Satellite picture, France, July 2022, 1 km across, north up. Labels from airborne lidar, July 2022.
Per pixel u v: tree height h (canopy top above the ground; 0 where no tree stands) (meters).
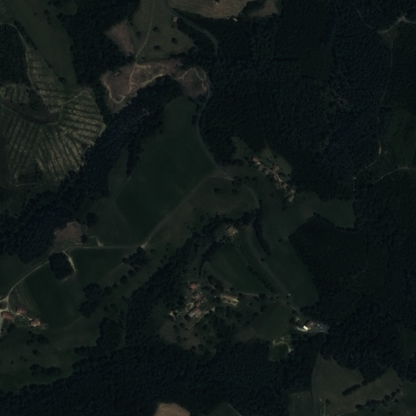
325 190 10
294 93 19
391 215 15
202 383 35
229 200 0
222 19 8
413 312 9
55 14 0
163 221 0
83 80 19
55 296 0
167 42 0
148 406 26
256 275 13
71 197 37
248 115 11
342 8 20
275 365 13
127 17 16
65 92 0
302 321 0
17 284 0
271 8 0
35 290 0
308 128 26
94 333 0
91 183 28
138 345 11
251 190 0
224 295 0
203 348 17
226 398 16
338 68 23
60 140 0
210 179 0
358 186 11
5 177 0
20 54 6
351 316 10
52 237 30
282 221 0
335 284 8
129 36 0
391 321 24
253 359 16
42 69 0
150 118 15
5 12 0
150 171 0
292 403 0
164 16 0
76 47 20
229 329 6
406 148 0
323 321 22
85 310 22
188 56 21
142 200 0
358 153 22
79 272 0
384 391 0
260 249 0
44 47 0
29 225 26
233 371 20
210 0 0
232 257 0
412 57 9
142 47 0
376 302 8
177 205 0
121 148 28
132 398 22
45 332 0
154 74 0
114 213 0
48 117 0
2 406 29
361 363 24
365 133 36
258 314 8
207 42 10
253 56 26
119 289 0
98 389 31
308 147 24
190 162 0
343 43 23
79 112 0
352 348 21
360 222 20
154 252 13
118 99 0
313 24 8
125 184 0
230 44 12
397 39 6
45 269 0
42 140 0
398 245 22
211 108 7
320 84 18
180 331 0
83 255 0
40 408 32
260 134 8
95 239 0
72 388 32
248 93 6
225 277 0
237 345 12
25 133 0
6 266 0
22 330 0
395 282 7
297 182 11
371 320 25
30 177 0
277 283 0
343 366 10
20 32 10
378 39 21
